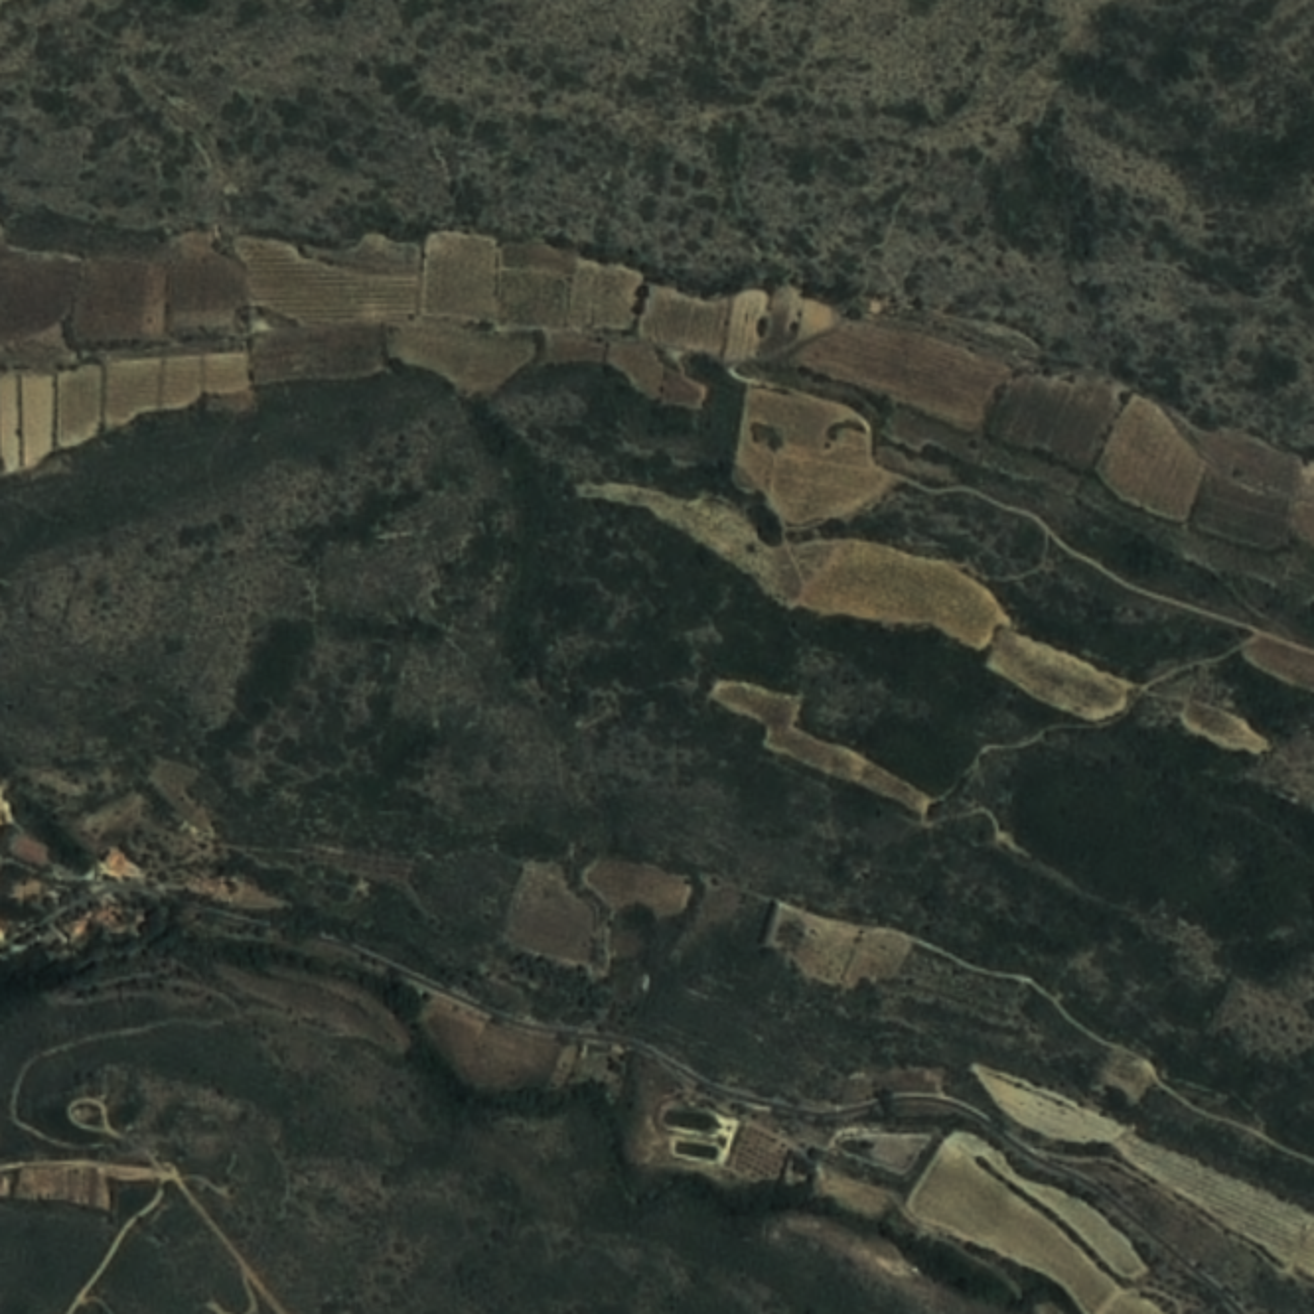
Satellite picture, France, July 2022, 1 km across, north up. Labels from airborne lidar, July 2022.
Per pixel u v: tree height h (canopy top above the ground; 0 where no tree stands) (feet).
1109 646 0
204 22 0
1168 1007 0
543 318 0
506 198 0
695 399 0
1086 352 0
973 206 0
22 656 0
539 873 0
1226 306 0
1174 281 0
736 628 0
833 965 0
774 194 0
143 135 0
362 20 0
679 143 0
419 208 0
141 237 0
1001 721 0
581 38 0
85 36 0
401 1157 0
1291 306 0
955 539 0
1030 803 0
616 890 0
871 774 0
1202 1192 0
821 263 0
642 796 0
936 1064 22
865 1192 0
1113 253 0
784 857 0
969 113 0
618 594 0
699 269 0
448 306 0
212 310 0
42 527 0
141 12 0
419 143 0
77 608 0
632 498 0
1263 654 0
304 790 0
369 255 0
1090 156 0
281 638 0
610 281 0
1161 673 0
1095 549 0
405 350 0
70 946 29
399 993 61
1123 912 0
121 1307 0
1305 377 0
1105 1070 0
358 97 0
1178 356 0
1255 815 0
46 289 0
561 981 29
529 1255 0
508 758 0
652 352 0
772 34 0
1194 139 0
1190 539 0
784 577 0
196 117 0
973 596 0
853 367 0
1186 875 0
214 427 0
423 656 0
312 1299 0
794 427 0
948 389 0
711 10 0
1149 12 0
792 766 0
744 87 0
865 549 0
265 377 0
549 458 0
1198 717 0
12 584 0
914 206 0
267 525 0
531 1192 0
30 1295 0
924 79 0
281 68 0
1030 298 0
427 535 0
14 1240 0
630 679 0
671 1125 0
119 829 0
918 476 0
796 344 0
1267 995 0
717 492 0
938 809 36
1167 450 0
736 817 0
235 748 0
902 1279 0
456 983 22
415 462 0
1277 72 0
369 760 0
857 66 0
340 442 0
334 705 0
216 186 0
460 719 0
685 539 0
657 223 0
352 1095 0
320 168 0
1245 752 18
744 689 0
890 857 0
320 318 0
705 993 0
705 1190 20
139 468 0
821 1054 0
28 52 0
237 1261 0
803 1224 0
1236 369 0
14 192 0
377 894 21
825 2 0
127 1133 0
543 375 0
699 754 0
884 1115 19
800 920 0
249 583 0
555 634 0
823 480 0
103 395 0
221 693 0
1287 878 0
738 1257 0
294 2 0
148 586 0
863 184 0
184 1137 0
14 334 0
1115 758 18
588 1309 0
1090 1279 0
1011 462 0
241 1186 0
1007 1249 0
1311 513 0
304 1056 0
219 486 0
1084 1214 0
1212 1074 0
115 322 0
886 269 0
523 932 0
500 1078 0
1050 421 0
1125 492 0
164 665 0
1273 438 0
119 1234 0
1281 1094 0
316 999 0
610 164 0
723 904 0
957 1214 0
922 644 0
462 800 0
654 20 0
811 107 0
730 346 0
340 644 0
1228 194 0
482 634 0
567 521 0
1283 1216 0
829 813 0
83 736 0
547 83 0
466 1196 0
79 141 0
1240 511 0
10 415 0
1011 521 0
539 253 0
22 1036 0
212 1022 0
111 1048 0
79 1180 0
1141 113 0
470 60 0
